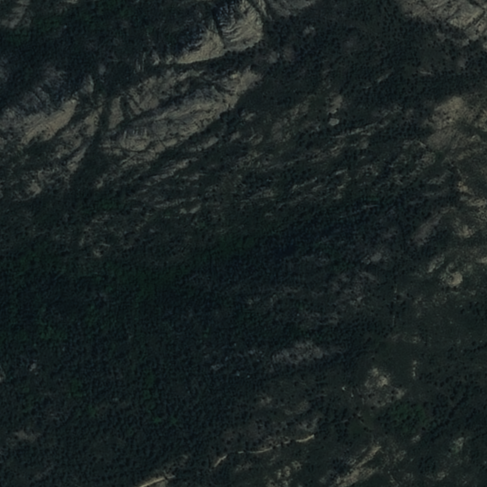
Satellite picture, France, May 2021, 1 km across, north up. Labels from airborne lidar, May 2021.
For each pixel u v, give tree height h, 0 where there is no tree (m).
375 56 12
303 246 14
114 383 10
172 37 9
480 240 5
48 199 6
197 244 6
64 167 12
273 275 7
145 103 0
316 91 9
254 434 0
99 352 24
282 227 7
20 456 20
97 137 7
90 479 20
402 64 13
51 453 17
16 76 12
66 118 0
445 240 7
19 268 24
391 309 12
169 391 11
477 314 10
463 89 11
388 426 22
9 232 12
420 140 6
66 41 9
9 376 11
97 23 10
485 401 0
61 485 13
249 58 22
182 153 7
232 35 0
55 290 14
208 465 15
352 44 0
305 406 0
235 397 13
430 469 13
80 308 11
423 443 8
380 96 11
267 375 10
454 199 13
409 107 10
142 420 19
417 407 20
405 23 13
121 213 7
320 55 13
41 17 10
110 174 7
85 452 10
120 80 6
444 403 16
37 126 0
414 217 10
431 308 0
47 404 15
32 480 12
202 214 5
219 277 7
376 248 7
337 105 0
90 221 6
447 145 0
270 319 7
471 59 11
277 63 9
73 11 6
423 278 0
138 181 9
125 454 17
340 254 10
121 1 12
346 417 17
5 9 6
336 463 12
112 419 16
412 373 0
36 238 8
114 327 13
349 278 11
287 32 14
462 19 0
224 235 15
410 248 11
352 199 10
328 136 15
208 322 7
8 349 17
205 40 0
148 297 16
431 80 8
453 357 12
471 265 0
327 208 11
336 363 15
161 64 8
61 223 20
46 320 23
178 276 20
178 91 12
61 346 6
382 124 10
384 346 5
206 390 11
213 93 0
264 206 6
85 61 8
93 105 10
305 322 6
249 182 27
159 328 7
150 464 9
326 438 13
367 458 0
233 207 6
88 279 16
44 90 7
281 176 13
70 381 21
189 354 14
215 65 15
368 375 0
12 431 11
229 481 11
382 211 13
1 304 14
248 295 6
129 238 22
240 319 17
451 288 13
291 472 0
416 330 0
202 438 18
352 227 7
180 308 12
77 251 8
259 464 10
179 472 20
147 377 18
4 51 7
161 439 18
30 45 9
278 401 8
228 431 13
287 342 7
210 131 19
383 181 14
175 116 0
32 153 9
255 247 7
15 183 6
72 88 11
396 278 12
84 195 17
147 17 7
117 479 14
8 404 14
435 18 10
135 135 0
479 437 13
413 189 9
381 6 16
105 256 7
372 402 0
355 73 13
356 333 17
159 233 12
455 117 0
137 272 17
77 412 16
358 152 9
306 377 13
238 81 0
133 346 12
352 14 6
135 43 19
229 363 10
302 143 17
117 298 6
